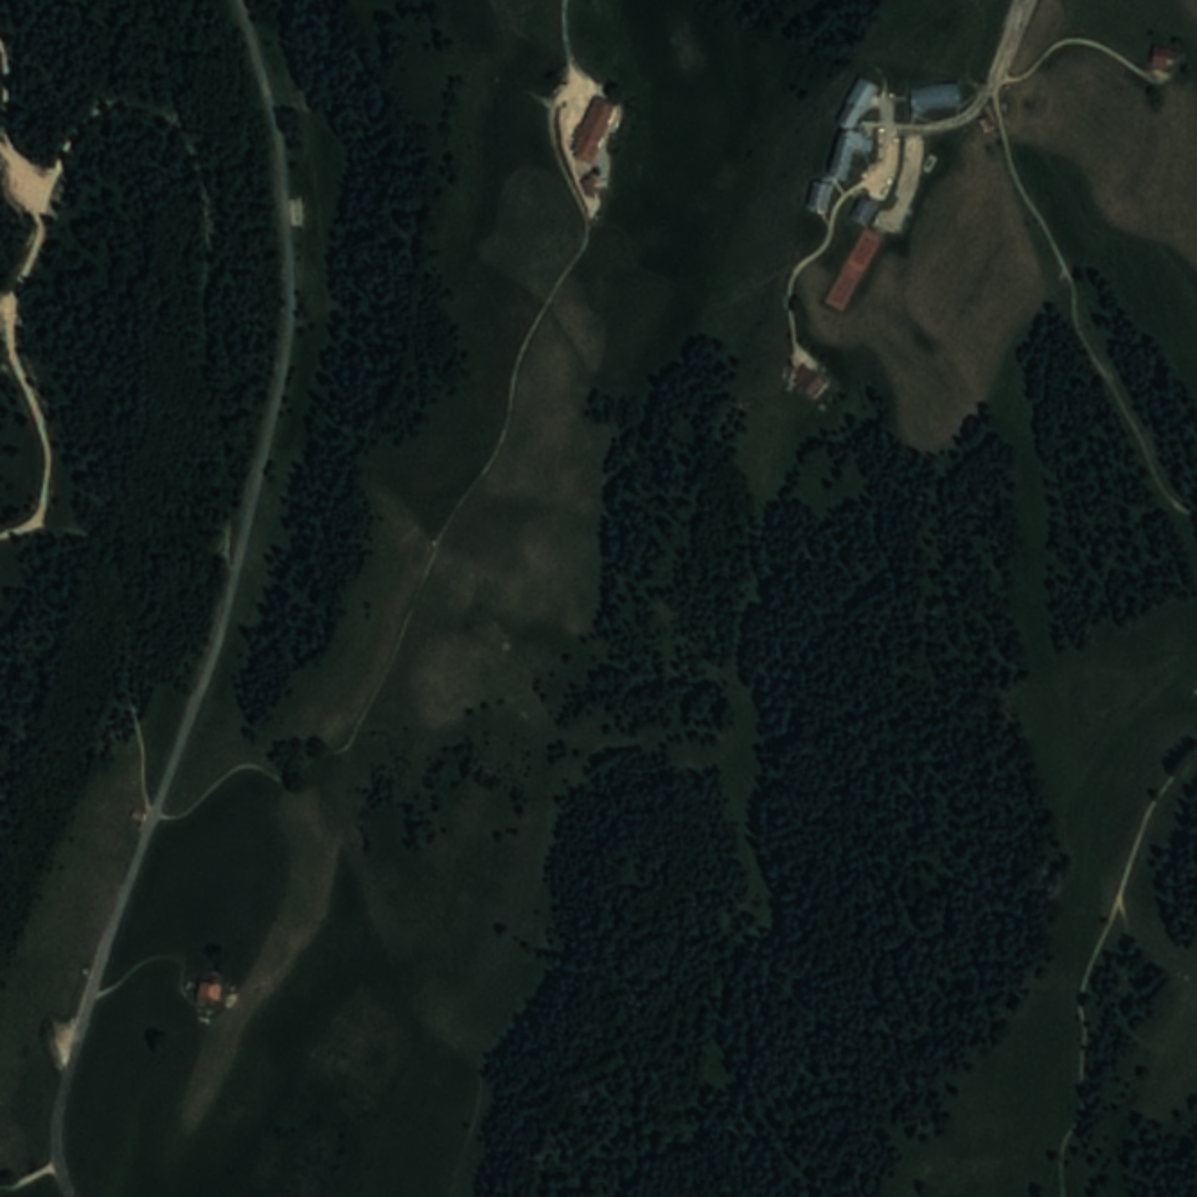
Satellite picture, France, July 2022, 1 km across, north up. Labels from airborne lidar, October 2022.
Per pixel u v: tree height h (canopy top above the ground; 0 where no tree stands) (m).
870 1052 22
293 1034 0
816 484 0
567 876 10
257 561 0
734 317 0
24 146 18
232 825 0
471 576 0
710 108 0
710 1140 24
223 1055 0
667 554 24
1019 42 0
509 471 0
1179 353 0
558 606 0
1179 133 0
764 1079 31
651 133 0
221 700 0
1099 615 13
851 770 18
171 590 21
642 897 21
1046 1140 0
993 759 20
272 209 18
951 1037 19
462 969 0
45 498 0
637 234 0
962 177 0
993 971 32
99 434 13
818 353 7
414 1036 0
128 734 11
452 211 0
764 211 0
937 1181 0
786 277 0
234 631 0
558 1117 17
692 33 0
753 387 0
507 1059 21
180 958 0
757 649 23
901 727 24
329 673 0
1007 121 0
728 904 32
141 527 21
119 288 14
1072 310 0
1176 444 13
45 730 23
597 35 0
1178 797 0
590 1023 21
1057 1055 0
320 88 21
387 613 0
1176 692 0
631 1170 28
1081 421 14
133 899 0
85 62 21
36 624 23
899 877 24
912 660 17
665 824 28
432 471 0
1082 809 0
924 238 0
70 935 0
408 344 19
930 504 16
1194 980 0
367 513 7
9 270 7
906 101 0
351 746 0
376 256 20
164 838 0
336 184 0
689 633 17
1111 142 0
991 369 0
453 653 0
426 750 0
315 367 0
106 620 19
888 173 0
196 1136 0
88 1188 0
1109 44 0
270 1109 0
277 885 0
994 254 0
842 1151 26
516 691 0
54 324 12
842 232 0
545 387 0
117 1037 0
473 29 0
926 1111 7
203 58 21
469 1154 0
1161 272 0
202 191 30
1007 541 14
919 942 32
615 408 10
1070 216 0
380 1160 0
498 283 0
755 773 0
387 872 0
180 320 22
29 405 0
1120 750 0
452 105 9
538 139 0
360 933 0
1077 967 0
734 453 19
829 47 26
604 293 0
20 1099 0
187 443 25
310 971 0
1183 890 10
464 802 0
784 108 0
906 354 0
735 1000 31
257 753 0
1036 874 25
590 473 0
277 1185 0
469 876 0
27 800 22
